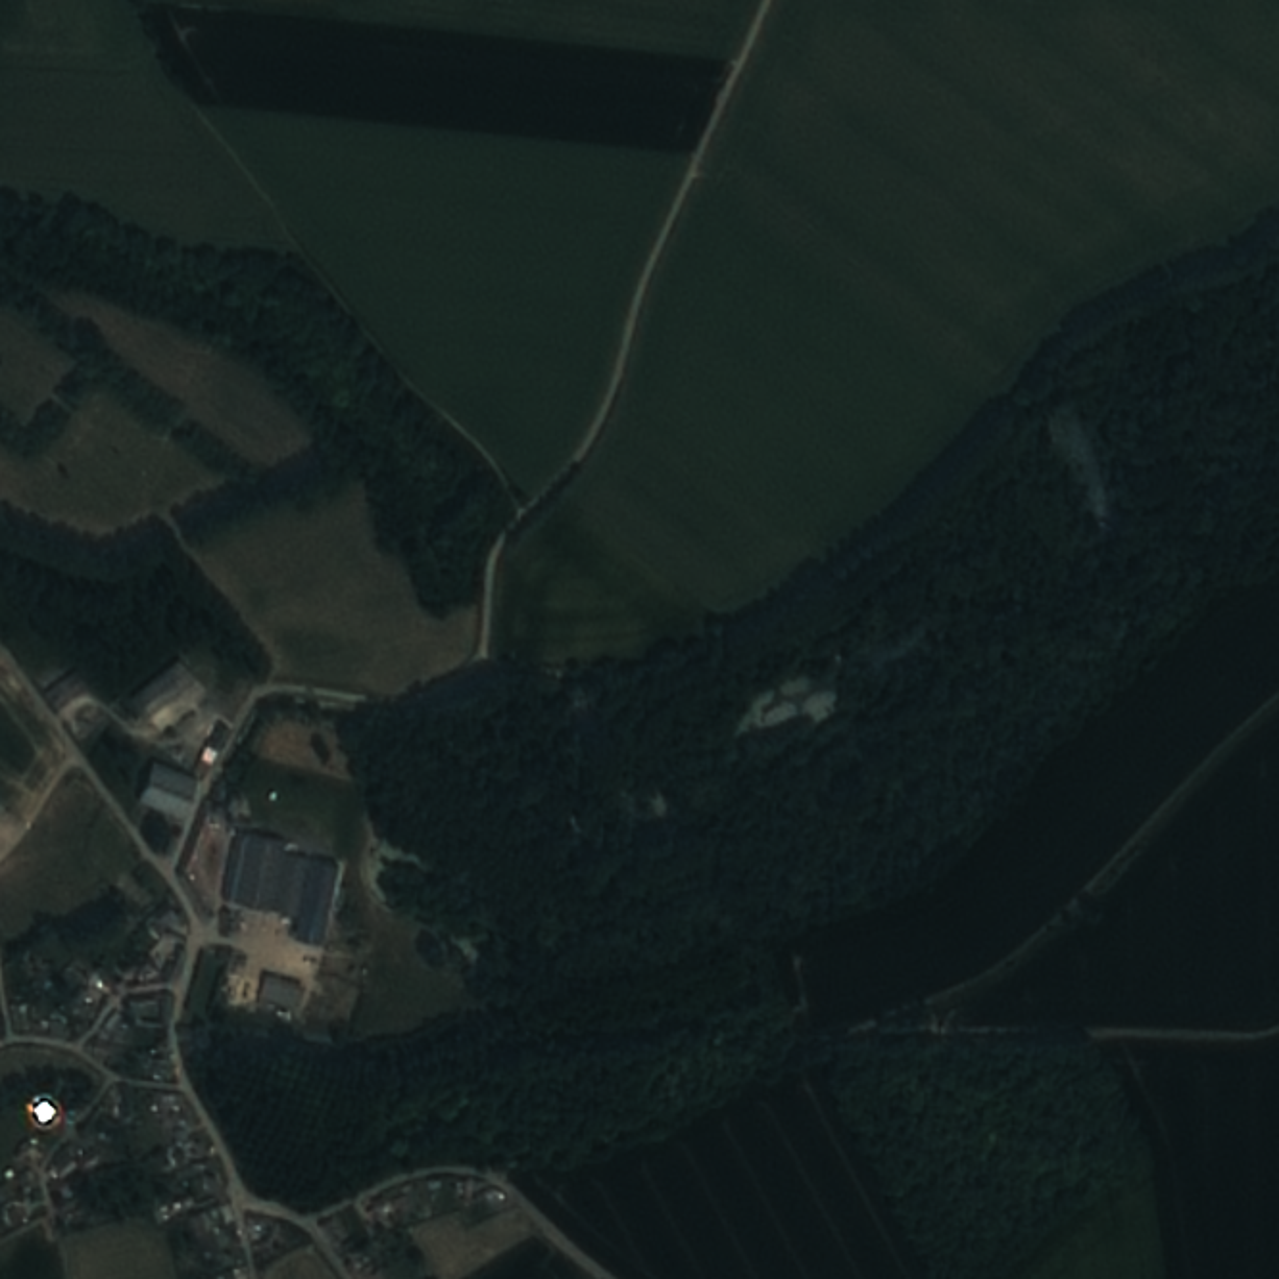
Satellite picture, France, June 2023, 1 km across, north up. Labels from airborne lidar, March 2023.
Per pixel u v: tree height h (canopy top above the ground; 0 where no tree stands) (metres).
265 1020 0
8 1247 0
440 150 0
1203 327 35
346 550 0
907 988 0
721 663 11
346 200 0
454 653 0
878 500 0
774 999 16
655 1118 17
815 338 0
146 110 0
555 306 0
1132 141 0
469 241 0
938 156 0
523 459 0
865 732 18
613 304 0
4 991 0
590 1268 0
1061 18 0
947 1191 18
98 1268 0
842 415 0
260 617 0
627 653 0
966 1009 0
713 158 0
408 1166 13
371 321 0
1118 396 18
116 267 21
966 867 0
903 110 0
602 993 6
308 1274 0
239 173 0
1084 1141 21
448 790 26
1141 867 0
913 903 0
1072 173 0
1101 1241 0
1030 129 0
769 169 0
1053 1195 16
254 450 0
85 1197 12
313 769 0
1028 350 0
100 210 11
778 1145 0
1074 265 0
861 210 0
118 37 0
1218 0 0
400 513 26
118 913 21
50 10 0
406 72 0
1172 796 0
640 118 0
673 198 0
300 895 0
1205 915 0
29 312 19
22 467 0
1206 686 0
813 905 29
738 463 0
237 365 0
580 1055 18
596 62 0
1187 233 0
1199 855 0
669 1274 0
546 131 0
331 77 0
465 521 16
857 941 0
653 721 24
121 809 0
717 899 19
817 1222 0
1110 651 21
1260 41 0
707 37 0
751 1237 0
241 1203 0
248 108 0
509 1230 0
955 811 22
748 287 0
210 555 0
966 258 0
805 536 0
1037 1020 0
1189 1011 0
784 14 0
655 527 0
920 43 0
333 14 0
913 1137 19
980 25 0
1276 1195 0
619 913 16
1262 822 0
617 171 0
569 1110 23
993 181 0
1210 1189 0
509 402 0
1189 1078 0
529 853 28
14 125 0
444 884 13
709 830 19
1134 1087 0
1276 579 0
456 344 0
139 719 0
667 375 0
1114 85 0
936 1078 19
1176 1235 0
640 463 0
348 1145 16
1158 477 33
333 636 0
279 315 14
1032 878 0
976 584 15
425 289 0
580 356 0
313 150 0
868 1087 17
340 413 17
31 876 0
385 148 0
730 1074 15
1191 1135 0
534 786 25
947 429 0
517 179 0
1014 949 0
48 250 26
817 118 0
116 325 0
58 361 0
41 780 0
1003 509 21
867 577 28
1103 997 0
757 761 6
